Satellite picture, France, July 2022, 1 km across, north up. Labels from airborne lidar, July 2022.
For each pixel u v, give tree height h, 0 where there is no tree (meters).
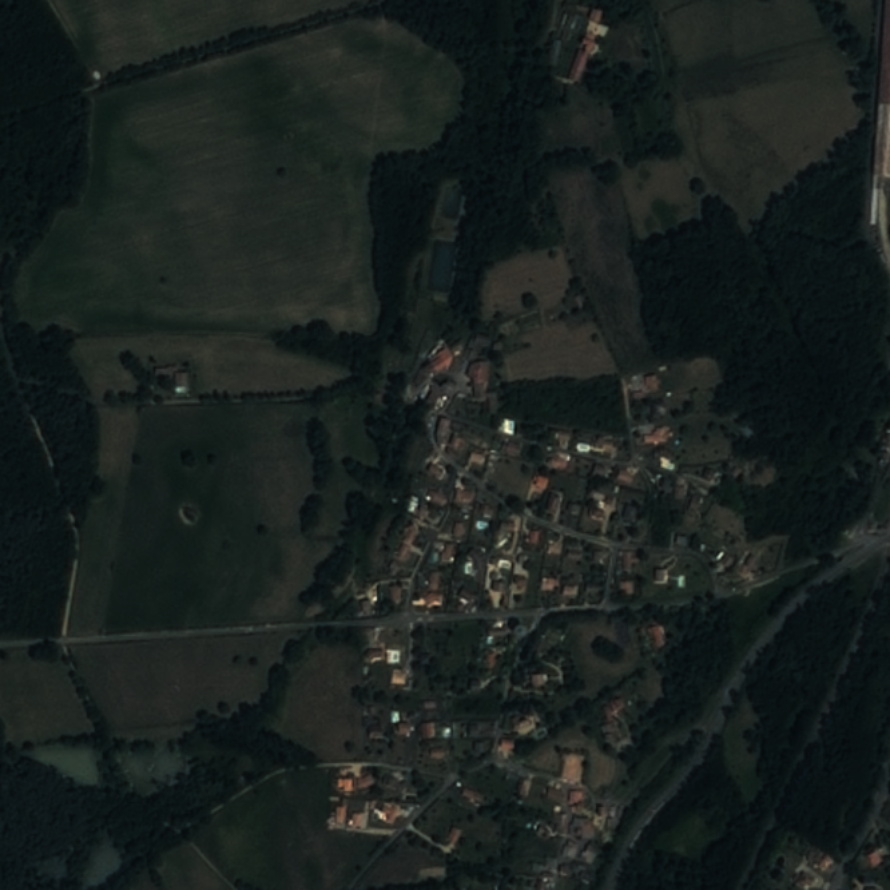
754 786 0
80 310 0
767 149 0
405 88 0
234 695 0
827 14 22
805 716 15
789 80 0
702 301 28
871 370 13
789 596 18
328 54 0
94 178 0
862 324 18
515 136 20
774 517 10
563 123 0
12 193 15
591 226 0
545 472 9
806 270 27
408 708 0
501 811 15
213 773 12
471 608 0
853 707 16
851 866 12
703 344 17
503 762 0
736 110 0
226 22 0
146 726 0
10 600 18
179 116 0
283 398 9
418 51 0
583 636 0
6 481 20
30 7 16
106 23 0
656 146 10
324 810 0
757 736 7
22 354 19
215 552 0
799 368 21
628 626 10
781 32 0
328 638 22
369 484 20
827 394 11
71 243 0
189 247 0
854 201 9
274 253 0
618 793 0
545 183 14
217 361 0
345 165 0
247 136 0
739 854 22
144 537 0
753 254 20
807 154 0
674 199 0
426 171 21
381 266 14
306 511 16
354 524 17
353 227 0
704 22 0
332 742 0
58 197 13
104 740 19
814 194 17
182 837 11
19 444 18
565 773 0
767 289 10
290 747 26
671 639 12
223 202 0
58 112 11
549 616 10
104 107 0
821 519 16
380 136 0
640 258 16
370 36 0
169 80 0
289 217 0
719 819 8
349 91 0
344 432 0
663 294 19
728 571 10
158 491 0
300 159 0
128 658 0
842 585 12
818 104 0
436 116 0
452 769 0
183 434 0
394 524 7
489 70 21
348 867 0
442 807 0
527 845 0
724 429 13
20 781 23
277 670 16
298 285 0
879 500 0
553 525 0
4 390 17
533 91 12
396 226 17
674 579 0
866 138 20
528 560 7
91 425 16
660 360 11
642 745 14
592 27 0
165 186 0
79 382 17
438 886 19
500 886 10
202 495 0
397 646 0
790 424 19
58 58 20
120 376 0
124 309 0
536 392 7
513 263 0
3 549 23
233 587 0
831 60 0
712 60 0
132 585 0
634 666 0
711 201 16
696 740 12
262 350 0
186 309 0
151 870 7
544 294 0
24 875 22
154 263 0
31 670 0
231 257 0
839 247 19
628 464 0
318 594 23
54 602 8
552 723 10
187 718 0
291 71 0
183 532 0
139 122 0
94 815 23
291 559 0
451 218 0
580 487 0
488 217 17
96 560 0
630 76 28
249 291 0
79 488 17
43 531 18
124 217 0
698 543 9
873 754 7
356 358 16
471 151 23
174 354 0
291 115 0
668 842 0
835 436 15
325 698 0
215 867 0
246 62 0
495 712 0
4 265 13
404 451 14
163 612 0
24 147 15
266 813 0
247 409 0
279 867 0
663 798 0
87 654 0
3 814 25
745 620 0
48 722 0
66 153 9
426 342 0
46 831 23
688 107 0
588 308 11
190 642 0
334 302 0
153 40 0
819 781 24
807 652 18
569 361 0
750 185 0
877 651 8
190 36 0
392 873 0
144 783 0
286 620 0
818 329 22
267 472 0
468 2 24
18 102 11
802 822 21
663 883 21
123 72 7
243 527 0
